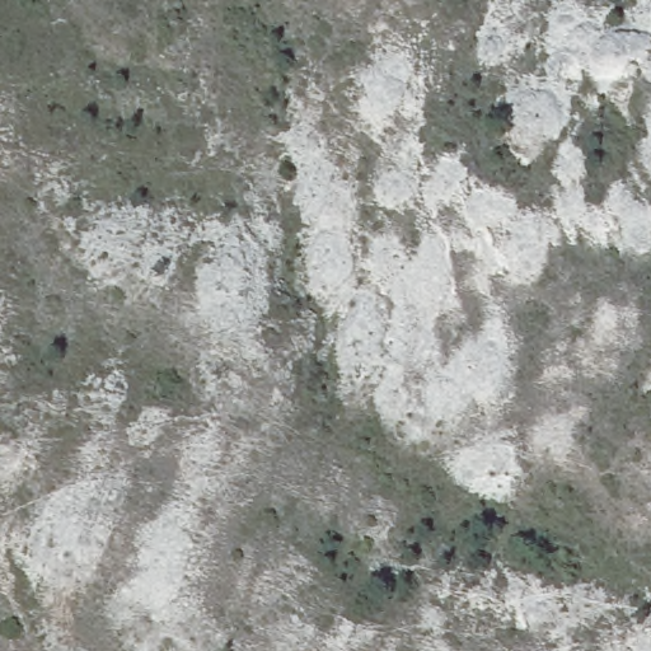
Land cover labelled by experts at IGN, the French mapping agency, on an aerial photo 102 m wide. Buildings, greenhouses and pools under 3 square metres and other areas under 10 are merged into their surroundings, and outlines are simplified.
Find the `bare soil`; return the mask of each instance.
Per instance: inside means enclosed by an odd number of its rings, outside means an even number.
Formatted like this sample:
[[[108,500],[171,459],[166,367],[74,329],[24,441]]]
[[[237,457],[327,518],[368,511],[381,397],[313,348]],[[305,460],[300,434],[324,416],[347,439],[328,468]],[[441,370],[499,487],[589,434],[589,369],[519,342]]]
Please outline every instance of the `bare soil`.
[[[542,580],[534,575],[514,575],[506,580],[509,587],[504,593],[493,593],[493,570],[470,570],[468,565],[453,562],[453,567],[442,575],[440,585],[420,587],[420,605],[409,610],[407,620],[369,626],[346,620],[341,626],[333,626],[331,631],[318,631],[305,605],[298,600],[298,587],[310,582],[315,570],[313,562],[318,557],[326,557],[326,552],[320,549],[320,537],[326,531],[341,531],[343,537],[353,539],[387,539],[389,529],[399,519],[399,511],[392,501],[381,496],[364,496],[371,483],[371,458],[346,453],[341,458],[333,458],[333,450],[315,442],[320,437],[318,427],[298,430],[295,425],[285,425],[285,417],[292,417],[292,366],[305,353],[318,356],[320,361],[333,356],[341,371],[338,397],[343,407],[366,407],[376,402],[376,412],[397,445],[404,445],[412,455],[440,463],[442,468],[448,468],[455,483],[465,486],[468,491],[491,501],[504,501],[514,493],[514,481],[516,476],[521,476],[521,460],[554,460],[557,465],[567,463],[567,453],[575,442],[572,432],[587,417],[585,394],[598,381],[615,379],[623,348],[641,348],[651,338],[651,0],[285,0],[290,18],[300,18],[300,25],[290,25],[287,31],[282,25],[275,25],[275,38],[282,33],[290,41],[310,38],[315,31],[313,15],[323,15],[331,25],[326,46],[336,48],[341,46],[341,41],[366,41],[369,46],[374,43],[371,66],[356,66],[353,71],[333,71],[331,64],[313,58],[292,69],[295,51],[285,48],[282,56],[290,64],[290,84],[285,92],[290,102],[287,132],[267,127],[259,135],[249,135],[234,130],[234,125],[224,120],[206,122],[206,145],[193,153],[191,165],[186,165],[183,170],[173,170],[170,178],[193,178],[203,170],[234,173],[234,201],[224,201],[221,214],[206,216],[203,211],[196,211],[193,206],[201,203],[201,196],[191,196],[191,206],[163,211],[132,206],[125,196],[117,196],[112,203],[92,201],[89,191],[94,188],[94,183],[66,178],[61,173],[61,163],[46,147],[33,147],[23,140],[20,132],[15,132],[15,104],[0,104],[0,366],[5,361],[18,361],[18,356],[13,353],[18,336],[31,338],[38,348],[53,343],[58,351],[66,351],[66,341],[89,343],[102,338],[104,343],[109,343],[109,359],[104,359],[109,376],[89,374],[81,384],[81,392],[53,389],[43,394],[15,397],[10,374],[0,371],[0,651],[651,651],[651,628],[638,620],[636,608],[628,600],[620,600],[595,587],[593,582],[577,582],[570,587],[542,587]],[[496,102],[511,104],[514,112],[514,125],[509,130],[509,150],[519,163],[524,163],[531,170],[531,181],[514,196],[468,173],[460,163],[465,147],[445,153],[437,160],[425,158],[420,142],[420,130],[425,125],[425,97],[430,92],[440,92],[450,74],[458,74],[460,79],[473,76],[476,84],[481,84],[481,76],[491,76],[506,86],[504,94],[496,94]],[[643,135],[638,142],[638,155],[628,160],[628,178],[615,181],[605,201],[595,206],[585,203],[582,175],[587,158],[575,145],[575,140],[582,130],[582,122],[598,125],[598,104],[608,102],[618,107],[626,125],[643,120]],[[193,394],[201,397],[201,415],[168,415],[168,409],[147,407],[130,427],[120,425],[117,409],[127,399],[127,379],[137,374],[142,364],[150,364],[153,369],[178,369],[178,374],[188,379]]]

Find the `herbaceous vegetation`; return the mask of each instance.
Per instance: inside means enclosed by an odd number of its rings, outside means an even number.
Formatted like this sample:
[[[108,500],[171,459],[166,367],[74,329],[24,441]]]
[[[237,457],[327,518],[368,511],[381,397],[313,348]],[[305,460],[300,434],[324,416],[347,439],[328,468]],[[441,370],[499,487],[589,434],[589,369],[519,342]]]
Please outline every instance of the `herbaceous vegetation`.
[[[514,196],[531,181],[531,170],[524,163],[519,163],[509,150],[509,130],[514,125],[514,112],[511,104],[496,102],[496,94],[504,94],[506,86],[491,76],[481,76],[481,84],[476,84],[473,76],[460,79],[458,74],[450,74],[440,92],[430,92],[425,97],[425,125],[420,130],[420,142],[425,158],[437,160],[445,153],[465,147],[460,163],[468,173]]]
[[[206,145],[206,122],[224,120],[234,125],[234,130],[249,135],[259,135],[267,127],[287,132],[290,102],[285,92],[290,84],[290,64],[282,56],[285,48],[295,51],[292,69],[313,58],[331,64],[333,71],[353,71],[356,66],[371,66],[374,43],[369,46],[366,41],[341,41],[341,46],[336,48],[326,46],[331,25],[323,15],[313,15],[315,31],[310,38],[290,41],[282,33],[275,38],[275,25],[282,25],[287,31],[290,25],[300,25],[300,18],[290,18],[285,0],[0,0],[0,104],[15,104],[15,132],[20,132],[23,140],[33,147],[46,147],[61,163],[61,173],[66,178],[94,183],[94,188],[89,191],[92,201],[112,203],[117,196],[125,196],[132,206],[163,211],[191,206],[191,196],[201,196],[201,203],[193,206],[196,211],[203,211],[206,216],[221,214],[224,201],[234,201],[234,173],[203,170],[193,178],[170,178],[173,170],[183,170],[186,165],[191,165],[193,153]]]
[[[542,587],[570,587],[577,582],[593,582],[595,587],[620,600],[628,600],[636,608],[638,620],[651,628],[651,338],[641,348],[623,348],[615,379],[598,381],[585,394],[587,417],[572,432],[575,442],[567,453],[567,463],[557,465],[554,460],[521,460],[521,476],[516,476],[514,481],[514,493],[504,501],[491,501],[468,491],[465,486],[455,483],[448,468],[442,468],[440,463],[412,455],[404,445],[397,445],[376,412],[376,402],[366,407],[343,407],[338,397],[341,371],[333,356],[320,361],[318,356],[305,353],[292,366],[292,417],[285,417],[285,425],[295,425],[298,430],[318,427],[320,437],[315,442],[333,450],[333,458],[341,458],[346,453],[371,458],[371,483],[364,496],[381,496],[392,501],[399,511],[399,519],[389,529],[387,539],[353,539],[343,537],[341,531],[326,531],[320,537],[320,549],[326,552],[326,557],[318,557],[313,562],[315,570],[310,582],[298,587],[298,600],[305,605],[318,631],[331,631],[333,626],[341,626],[346,620],[369,626],[407,620],[409,610],[420,605],[420,587],[440,585],[442,575],[453,567],[453,562],[468,565],[470,570],[493,570],[493,593],[504,593],[509,587],[506,580],[514,575],[534,575],[542,580]]]
[[[188,379],[178,374],[178,369],[153,369],[150,364],[142,364],[137,374],[127,379],[127,399],[117,409],[120,425],[130,427],[147,407],[168,409],[168,415],[201,415],[201,397],[193,394]]]
[[[10,374],[15,397],[43,394],[53,389],[81,392],[81,384],[89,374],[109,376],[104,359],[109,359],[109,343],[104,343],[102,338],[89,343],[66,341],[66,351],[58,351],[53,343],[38,348],[31,338],[18,336],[13,353],[18,356],[18,361],[5,361],[0,366],[0,371]]]
[[[626,125],[618,107],[608,102],[598,104],[598,125],[582,122],[582,130],[575,140],[575,145],[587,158],[582,175],[585,203],[595,206],[605,201],[615,181],[628,178],[628,160],[638,155],[638,142],[643,135],[643,120]]]

